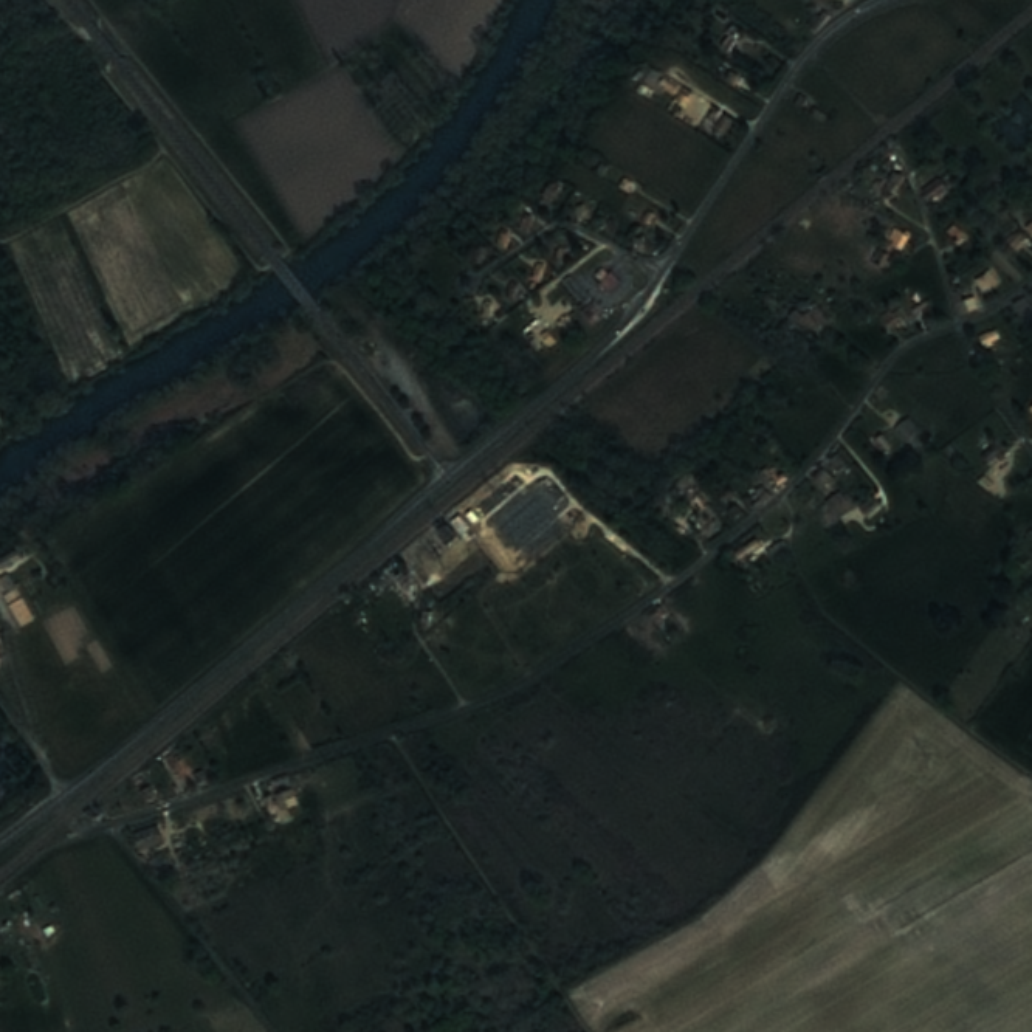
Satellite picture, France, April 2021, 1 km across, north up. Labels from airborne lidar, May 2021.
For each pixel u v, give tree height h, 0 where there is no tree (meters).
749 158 0
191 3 0
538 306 7
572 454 17
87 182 8
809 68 0
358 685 0
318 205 0
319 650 0
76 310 8
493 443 0
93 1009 0
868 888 0
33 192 11
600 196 0
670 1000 0
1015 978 0
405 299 17
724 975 0
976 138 0
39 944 0
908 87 0
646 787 0
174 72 0
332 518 0
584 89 21
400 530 0
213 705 0
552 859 0
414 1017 11
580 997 0
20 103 14
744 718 0
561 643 0
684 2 13
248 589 0
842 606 0
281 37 0
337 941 0
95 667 0
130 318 0
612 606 0
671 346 0
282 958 0
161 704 0
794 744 0
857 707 0
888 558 0
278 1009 0
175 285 0
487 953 18
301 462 0
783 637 0
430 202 12
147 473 24
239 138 0
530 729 0
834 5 0
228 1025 0
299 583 0
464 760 0
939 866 0
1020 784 0
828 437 0
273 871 0
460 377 12
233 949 0
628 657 0
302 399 0
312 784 0
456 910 16
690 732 0
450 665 0
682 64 0
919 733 0
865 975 0
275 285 0
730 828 0
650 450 0
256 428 0
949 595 0
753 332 15
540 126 17
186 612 0
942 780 0
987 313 0
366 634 0
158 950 0
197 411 0
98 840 0
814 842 0
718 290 11
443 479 0
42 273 10
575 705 0
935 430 0
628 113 0
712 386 0
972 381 0
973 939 0
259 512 0
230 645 0
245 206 0
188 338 0
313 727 0
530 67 18
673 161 0
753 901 0
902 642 0
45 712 0
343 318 0
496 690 0
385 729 0
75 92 6
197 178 0
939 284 0
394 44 0
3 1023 0
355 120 0
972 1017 0
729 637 0
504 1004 18
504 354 14
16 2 15
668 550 13
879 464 11
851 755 0
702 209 0
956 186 7
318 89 0
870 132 0
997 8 0
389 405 0
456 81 14
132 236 0
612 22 12
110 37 0
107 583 0
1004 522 0
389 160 0
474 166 18
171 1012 0
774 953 0
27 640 0
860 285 9
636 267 0
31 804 9
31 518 26
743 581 8
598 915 0
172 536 0
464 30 0
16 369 14
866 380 0
